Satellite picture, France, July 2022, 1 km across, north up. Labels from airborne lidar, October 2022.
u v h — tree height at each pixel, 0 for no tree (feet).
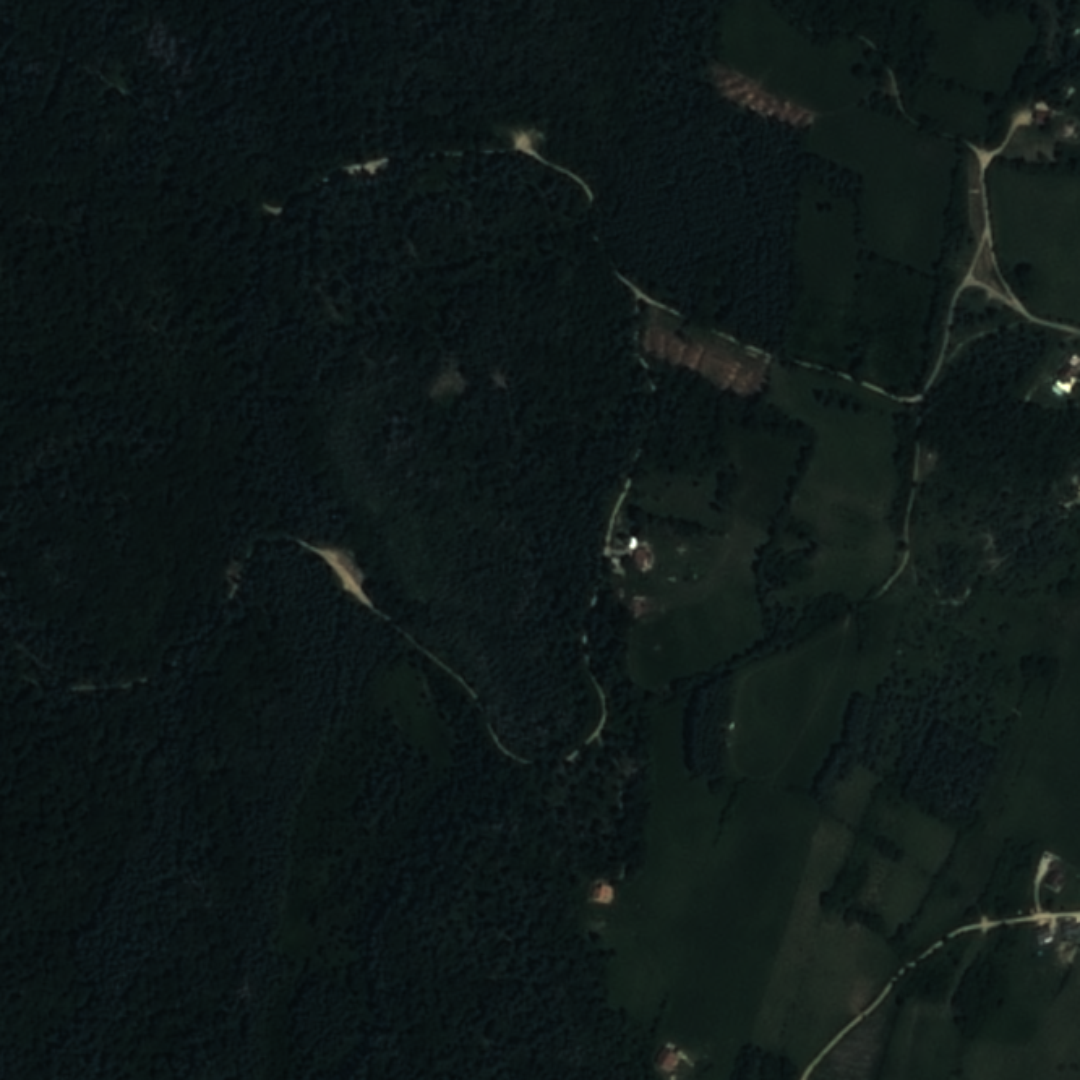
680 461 25
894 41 27
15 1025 44
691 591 0
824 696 0
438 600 26
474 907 28
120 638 40
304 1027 71
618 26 45
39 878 62
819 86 0
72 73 108
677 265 60
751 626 0
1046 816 0
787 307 65
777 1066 58
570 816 66
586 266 41
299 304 47
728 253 77
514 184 69
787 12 41
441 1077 56
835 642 0
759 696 0
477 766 70
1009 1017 0
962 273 0
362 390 20
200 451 76
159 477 52
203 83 98
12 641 89
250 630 67
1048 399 0
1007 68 0
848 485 0
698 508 0
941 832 0
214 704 56
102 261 63
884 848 45
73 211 100
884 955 0
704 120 83
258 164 97
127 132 61
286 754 63
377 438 38
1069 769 0
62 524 58
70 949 72
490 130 25
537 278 55
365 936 38
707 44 68
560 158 30
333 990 69
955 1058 0
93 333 58
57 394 50
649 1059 18
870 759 39
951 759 73
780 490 0
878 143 0
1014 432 18
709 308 78
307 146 57
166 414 19
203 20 50
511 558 40
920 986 25
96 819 45
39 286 70
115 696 65
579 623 83
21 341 74
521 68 46
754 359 0
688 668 0
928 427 28
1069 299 0
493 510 22
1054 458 35
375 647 71
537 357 53
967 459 27
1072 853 0
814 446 20
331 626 75
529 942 54
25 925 54
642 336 75
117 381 69
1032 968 0
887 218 0
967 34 0
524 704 41
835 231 0
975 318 47
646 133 73
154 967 77
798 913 0
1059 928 0
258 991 82
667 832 0
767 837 0
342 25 105
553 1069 30
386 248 36
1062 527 33
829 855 0
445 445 46
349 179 69
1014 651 0
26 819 24
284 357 73
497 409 73
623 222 77
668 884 0
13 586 55
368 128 33
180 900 68
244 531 97
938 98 0
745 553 0
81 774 73
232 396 72
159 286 62
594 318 45
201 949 57
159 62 78
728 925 0
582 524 51
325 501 114
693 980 0
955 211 34
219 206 29
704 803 0
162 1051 21
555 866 28
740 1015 0
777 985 0
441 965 49
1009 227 0
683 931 0
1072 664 0
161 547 52
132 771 52
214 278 38
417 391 54
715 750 86
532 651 52
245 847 68
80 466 55
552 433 45
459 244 44
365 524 31
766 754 0
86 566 39
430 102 72
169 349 44
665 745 0
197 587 78
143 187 94
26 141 108
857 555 0
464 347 48
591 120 20
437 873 42
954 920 0
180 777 77
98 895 58
